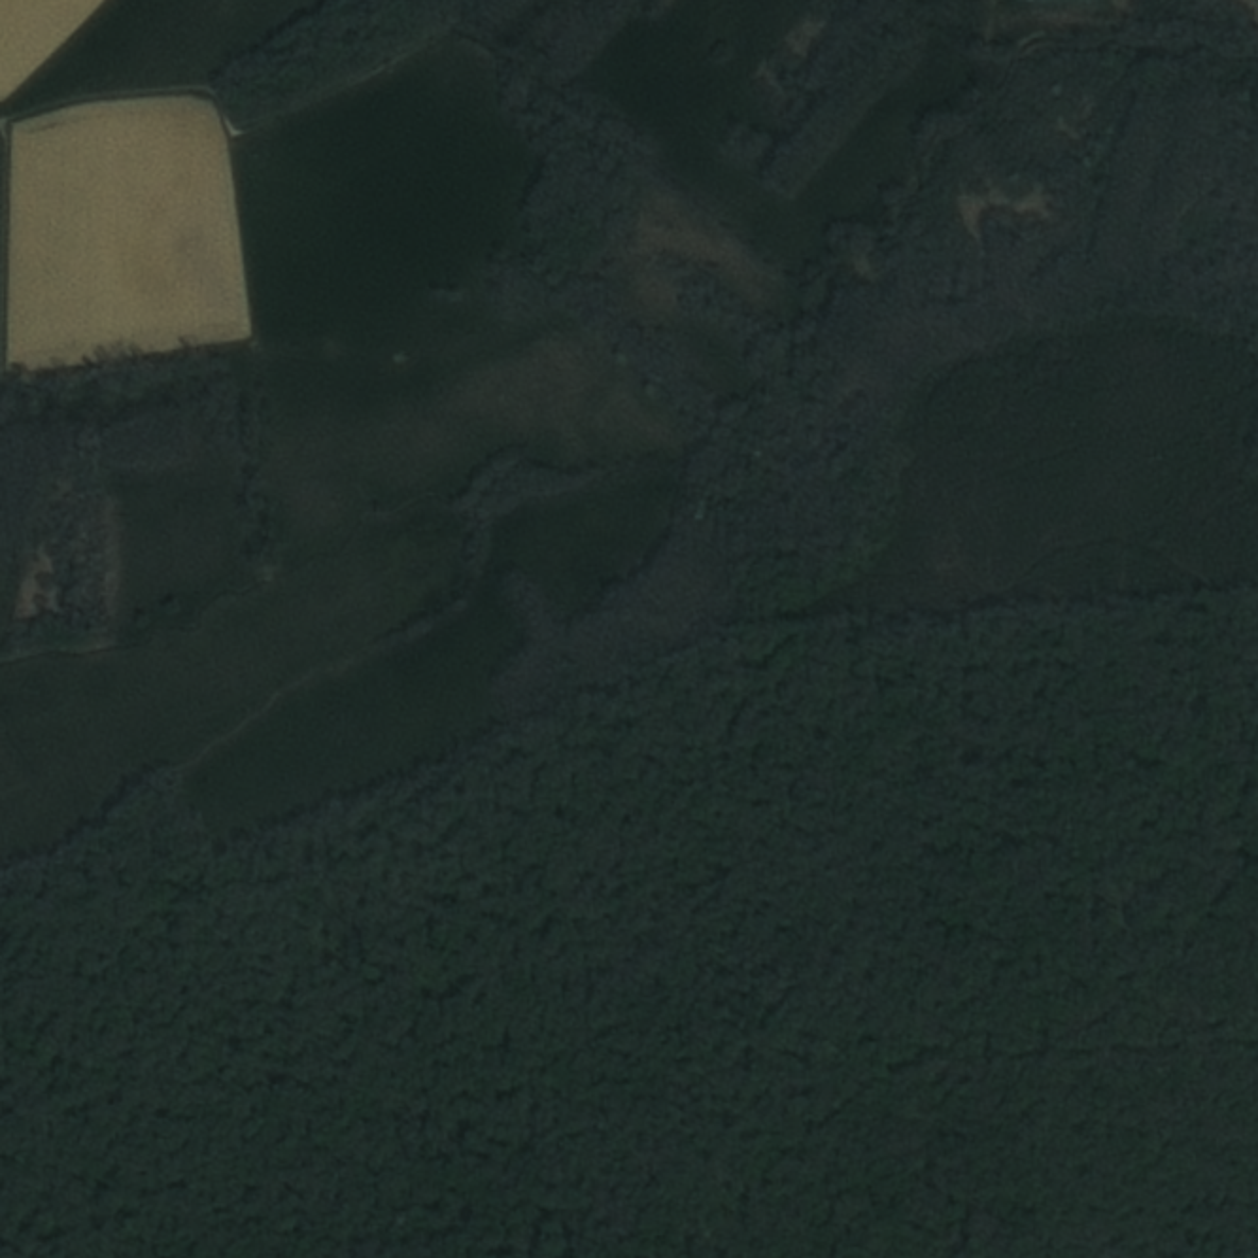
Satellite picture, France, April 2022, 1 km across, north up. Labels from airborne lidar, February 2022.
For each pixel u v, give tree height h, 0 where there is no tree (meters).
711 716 27
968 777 25
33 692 0
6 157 0
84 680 0
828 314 8
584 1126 26
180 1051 29
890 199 18
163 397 0
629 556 0
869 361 26
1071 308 24
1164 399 6
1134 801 24
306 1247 24
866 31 28
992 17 10
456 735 0
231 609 0
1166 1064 22
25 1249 29
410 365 0
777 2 0
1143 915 22
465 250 0
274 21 0
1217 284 12
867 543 30
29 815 0
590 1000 22
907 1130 25
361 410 0
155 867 23
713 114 0
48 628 14
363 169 0
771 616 20
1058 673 28
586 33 25
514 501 20
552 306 16
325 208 0
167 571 0
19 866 14
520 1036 29
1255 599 27
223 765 0
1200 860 29
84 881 28
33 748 0
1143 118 23
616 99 0
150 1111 26
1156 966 27
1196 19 6
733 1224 27
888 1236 30
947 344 25
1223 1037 24
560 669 22
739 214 0
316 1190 27
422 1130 23
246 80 20
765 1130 25
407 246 0
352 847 27
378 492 0
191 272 0
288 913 27
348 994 26
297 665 0
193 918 24
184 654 0
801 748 28
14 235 0
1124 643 23
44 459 22
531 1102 28
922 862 23
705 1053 26
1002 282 23
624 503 0
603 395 0
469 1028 26
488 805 28
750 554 22
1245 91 8
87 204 0
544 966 27
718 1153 28
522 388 0
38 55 0
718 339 0
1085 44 18
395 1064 25
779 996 28
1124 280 23
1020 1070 27
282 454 0
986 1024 26
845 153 0
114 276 0
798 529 22
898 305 26
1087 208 22
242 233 0
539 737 24
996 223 21
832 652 25
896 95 0
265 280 0
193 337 0
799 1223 29
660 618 23
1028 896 26
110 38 0
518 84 26
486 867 29
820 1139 23
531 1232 28
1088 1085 25
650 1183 26
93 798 0
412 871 28
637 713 26
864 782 22
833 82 26
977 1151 28
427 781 19
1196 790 22
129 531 0
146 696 0
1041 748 25
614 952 27
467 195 0
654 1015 24
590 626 23
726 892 23
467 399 0
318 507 0
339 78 25
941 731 26
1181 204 26
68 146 0
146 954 24
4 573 0
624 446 0
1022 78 6
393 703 0
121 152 0
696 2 0
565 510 0
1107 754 20
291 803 0
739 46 0
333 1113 24
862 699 26
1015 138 6
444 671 0
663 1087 24
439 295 16
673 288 0
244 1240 28
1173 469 7
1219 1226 22
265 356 0
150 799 21
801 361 21
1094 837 26
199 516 0
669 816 24
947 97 0
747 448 20
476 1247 22
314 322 0
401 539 0
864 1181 28
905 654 26
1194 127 27
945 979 29
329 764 0
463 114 0
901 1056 20
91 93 0
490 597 0
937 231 6
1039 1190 26
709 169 0
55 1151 30
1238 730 26
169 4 0
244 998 28
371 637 0
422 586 0
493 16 25
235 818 0
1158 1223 27
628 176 16
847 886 27
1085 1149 24
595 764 25
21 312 0
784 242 0
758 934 26
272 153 0
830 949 28
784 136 0
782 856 27
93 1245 32
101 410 0
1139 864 26
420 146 0
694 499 7
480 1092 22
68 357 0
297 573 0
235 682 0
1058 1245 25
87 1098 27
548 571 0
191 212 0
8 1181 29
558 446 0
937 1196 22
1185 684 25
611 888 24
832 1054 27
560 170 22
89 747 0
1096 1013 24
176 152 0
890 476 25
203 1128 25
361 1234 27
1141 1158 26
